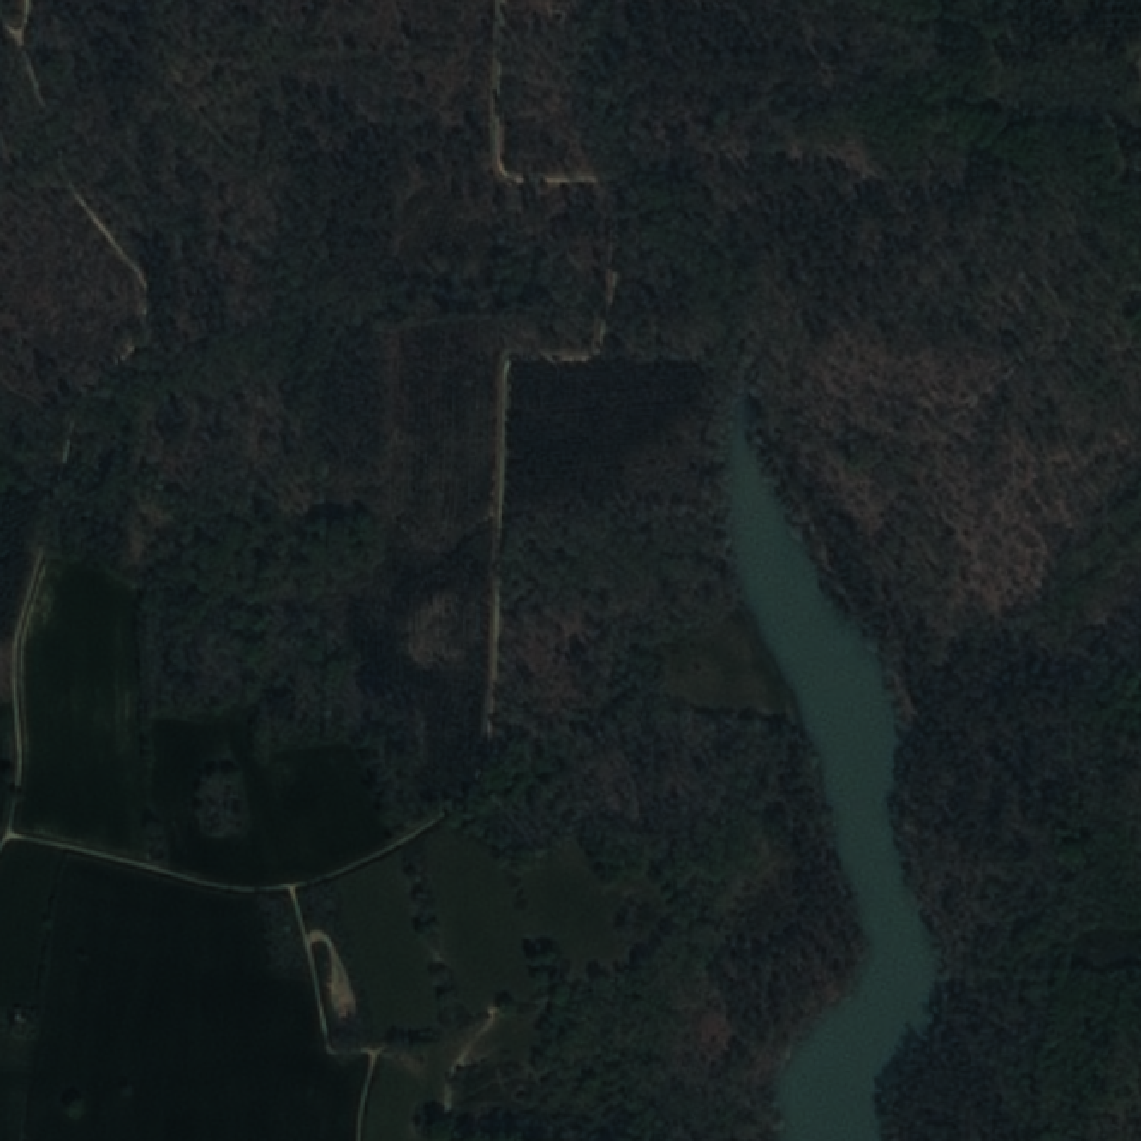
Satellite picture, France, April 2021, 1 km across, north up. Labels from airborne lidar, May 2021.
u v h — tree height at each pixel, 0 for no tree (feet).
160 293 71
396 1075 0
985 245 44
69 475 31
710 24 60
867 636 41
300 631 73
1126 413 36
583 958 0
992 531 0
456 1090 44
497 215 24
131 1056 0
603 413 41
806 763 96
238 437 50
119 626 0
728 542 56
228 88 47
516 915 0
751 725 54
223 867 0
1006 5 31
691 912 86
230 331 73
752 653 0
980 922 43
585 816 47
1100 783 29
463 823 28
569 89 22
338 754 0
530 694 54
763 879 0
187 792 0
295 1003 0
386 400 70
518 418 41
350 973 22
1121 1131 60
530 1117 34
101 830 0
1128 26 22
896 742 0
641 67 73
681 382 50
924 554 53
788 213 78
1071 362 51
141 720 31
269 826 0
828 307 63
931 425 55
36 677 0
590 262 21
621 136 65
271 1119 0
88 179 21
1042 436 27
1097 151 72
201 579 71
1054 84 43
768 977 86
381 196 72
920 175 35
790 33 72
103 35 35
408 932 0
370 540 69
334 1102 0
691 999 48
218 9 28
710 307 63
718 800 67
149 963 0
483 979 0
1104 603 48
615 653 55
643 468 35
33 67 45
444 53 33
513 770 86
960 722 79
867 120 76
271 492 61
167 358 51
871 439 57
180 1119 0
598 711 39
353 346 65
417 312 84
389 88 33
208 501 52
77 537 64
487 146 79
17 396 18
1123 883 44
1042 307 52
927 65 58
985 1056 58
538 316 62
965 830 73
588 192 49
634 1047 39
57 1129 0
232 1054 0
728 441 34
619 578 76
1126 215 54
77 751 0
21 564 64
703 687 0
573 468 39
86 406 49
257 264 60
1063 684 60
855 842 0
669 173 80
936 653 63
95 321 35
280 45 48
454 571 21
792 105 36
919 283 48
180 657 71
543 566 75
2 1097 0
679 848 83
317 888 29
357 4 51
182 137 59
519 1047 0
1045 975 77
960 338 74
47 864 0
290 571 57
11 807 0
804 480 77
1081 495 58
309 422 52
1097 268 44
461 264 76
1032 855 95
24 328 39
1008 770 85
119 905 0
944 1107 70
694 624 53
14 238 30
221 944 0
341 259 73
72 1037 0
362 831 0
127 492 57
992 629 58
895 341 85
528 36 51
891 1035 0
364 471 62
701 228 73
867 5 46
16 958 0
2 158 47
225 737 0
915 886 42
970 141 69
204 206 59
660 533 71
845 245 57
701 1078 69
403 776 52
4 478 75
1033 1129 51
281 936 28
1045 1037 50
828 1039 0
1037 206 54
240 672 43
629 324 41
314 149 68
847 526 63
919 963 0
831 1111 0
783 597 0
